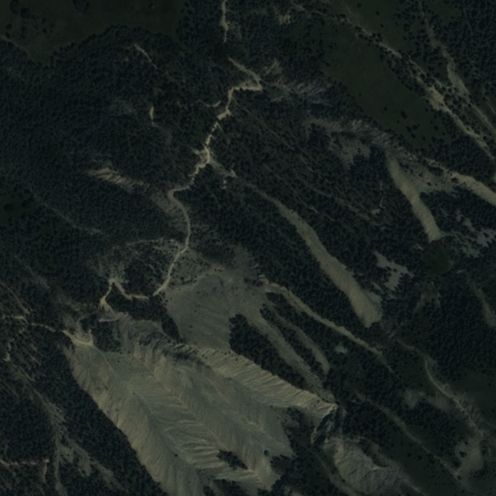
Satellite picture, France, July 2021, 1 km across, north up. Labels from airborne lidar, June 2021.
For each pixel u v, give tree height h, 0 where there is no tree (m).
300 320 10
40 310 15
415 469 0
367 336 8
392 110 0
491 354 11
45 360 9
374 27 0
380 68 0
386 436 17
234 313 0
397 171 0
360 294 0
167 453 0
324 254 0
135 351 0
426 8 10
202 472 0
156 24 0
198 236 8
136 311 7
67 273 9
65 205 12
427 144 0
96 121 16
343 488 0
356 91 0
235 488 8
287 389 0
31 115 7
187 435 0
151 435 0
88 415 7
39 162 15
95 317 7
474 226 7
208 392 0
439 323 13
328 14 9
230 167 11
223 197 19
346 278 0
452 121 6
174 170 15
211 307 0
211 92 18
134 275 17
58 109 17
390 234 13
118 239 8
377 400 17
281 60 12
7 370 14
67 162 15
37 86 6
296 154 13
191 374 0
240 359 0
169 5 0
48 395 14
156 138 10
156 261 7
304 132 6
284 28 7
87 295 14
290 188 15
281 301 6
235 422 0
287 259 15
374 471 0
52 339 6
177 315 0
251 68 8
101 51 14
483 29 18
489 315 0
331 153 9
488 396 0
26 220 15
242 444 0
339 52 0
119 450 16
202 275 0
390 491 0
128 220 12
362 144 7
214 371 0
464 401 0
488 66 9
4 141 13
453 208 6
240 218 11
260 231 7
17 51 15
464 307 12
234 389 0
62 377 9
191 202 9
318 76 9
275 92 7
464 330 19
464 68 9
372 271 11
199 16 7
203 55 16
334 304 16
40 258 12
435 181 0
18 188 12
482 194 0
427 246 10
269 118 13
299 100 9
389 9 0
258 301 0
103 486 10
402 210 11
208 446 0
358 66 0
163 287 0
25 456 11
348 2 0
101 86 11
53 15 0
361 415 12
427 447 0
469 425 0
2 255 7
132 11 0
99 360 0
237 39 9
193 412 0
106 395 0
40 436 14
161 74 18
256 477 0
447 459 0
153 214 12
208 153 0
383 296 8
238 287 0
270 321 8
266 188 12
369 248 20
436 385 0
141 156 11
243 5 13
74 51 16
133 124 12
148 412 0
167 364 0
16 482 17
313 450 0
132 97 11
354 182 8
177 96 13
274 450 0
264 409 0
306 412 0
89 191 11
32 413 14
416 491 0
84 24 0
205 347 0
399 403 9
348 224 14
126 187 0
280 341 0
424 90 9
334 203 12
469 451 0
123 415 0
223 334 0
